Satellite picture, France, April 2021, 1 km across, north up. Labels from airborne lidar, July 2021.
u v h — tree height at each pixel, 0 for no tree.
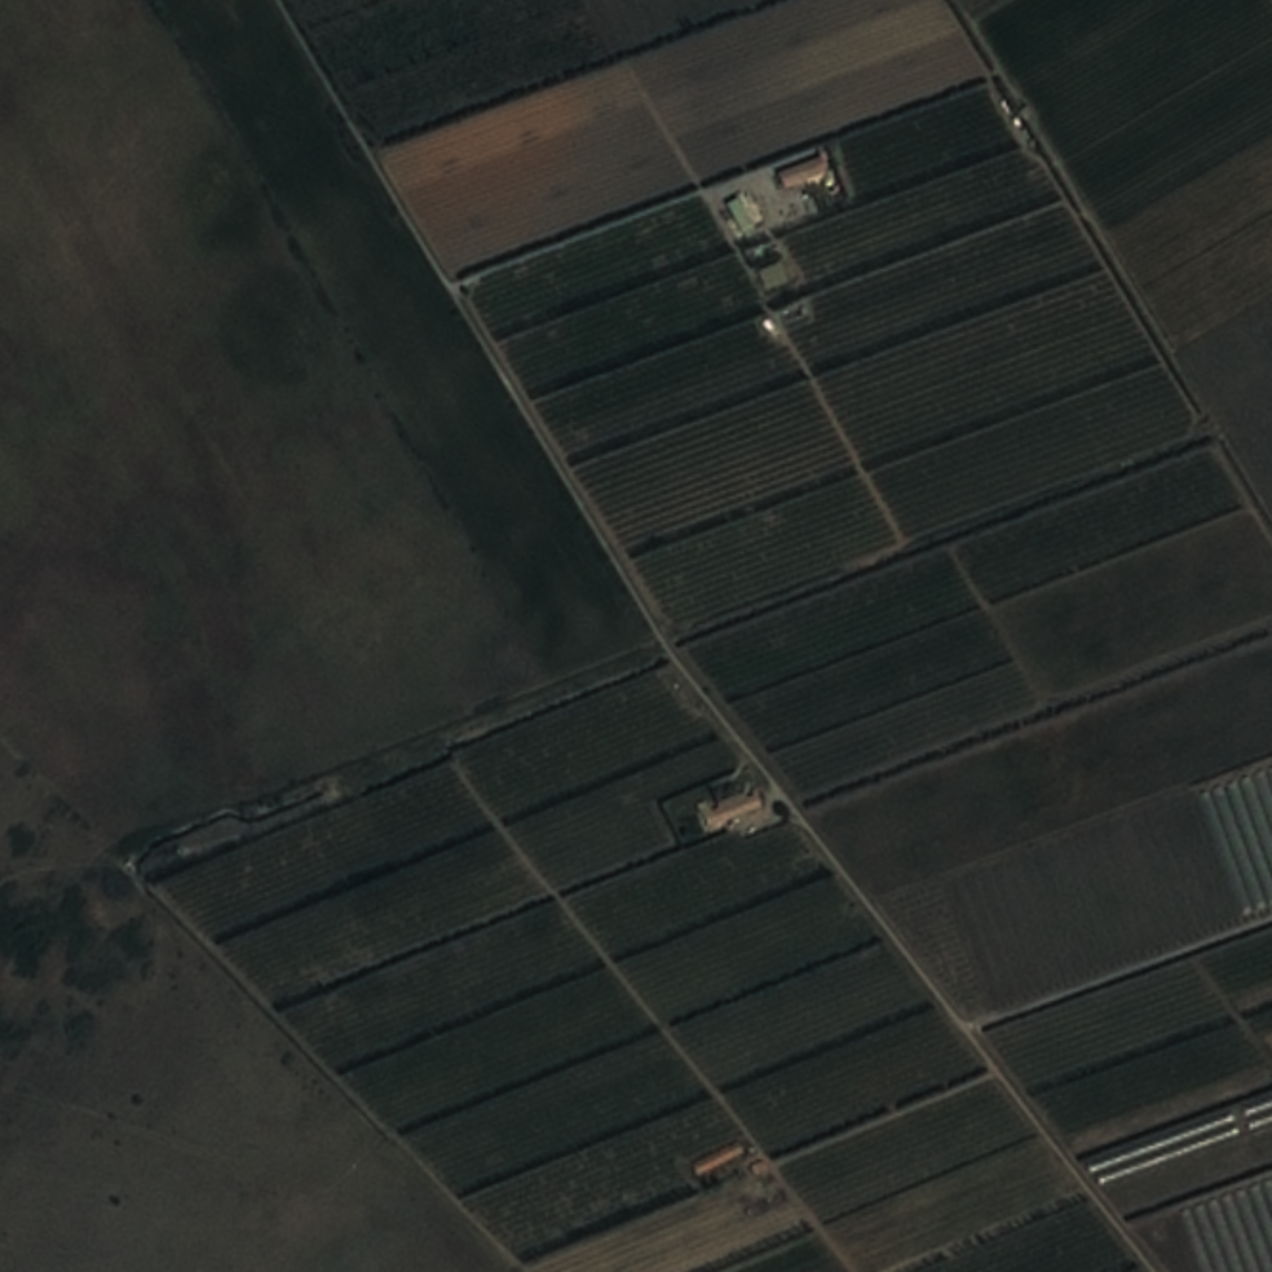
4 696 0
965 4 0
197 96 0
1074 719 0
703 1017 7
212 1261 0
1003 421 13
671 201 8
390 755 0
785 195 0
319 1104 0
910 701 7
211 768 0
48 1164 0
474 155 0
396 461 0
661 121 0
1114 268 11
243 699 0
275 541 0
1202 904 0
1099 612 0
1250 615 0
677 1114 14
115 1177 0
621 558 0
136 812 0
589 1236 14
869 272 16
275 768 0
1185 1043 13
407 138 8
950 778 0
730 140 0
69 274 0
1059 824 0
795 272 0
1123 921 0
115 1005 0
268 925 14
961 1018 0
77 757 0
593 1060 11
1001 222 15
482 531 0
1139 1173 0
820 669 8
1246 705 0
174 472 0
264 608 0
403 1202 0
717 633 7
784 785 0
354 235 0
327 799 0
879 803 0
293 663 0
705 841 6
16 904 0
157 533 0
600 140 0
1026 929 0
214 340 0
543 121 0
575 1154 12
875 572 6
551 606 0
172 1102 0
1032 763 0
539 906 9
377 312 0
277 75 0
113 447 0
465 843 13
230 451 0
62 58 0
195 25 0
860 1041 13
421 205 0
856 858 0
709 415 14
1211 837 0
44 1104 0
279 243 0
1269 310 0
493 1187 11
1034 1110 0
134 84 0
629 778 12
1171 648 0
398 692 0
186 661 0
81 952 0
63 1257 0
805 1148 8
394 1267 0
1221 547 0
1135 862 0
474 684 0
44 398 0
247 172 0
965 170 16
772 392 15
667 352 16
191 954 0
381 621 0
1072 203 11
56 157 0
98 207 0
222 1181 0
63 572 0
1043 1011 6
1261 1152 0
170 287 0
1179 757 0
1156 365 13
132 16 0
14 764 0
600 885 7
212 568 0
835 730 8
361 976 7
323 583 0
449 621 0
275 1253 0
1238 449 0
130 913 0
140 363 0
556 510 0
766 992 9
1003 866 0
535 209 0
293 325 0
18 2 0
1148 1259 0
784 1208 0
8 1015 0
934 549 7
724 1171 0
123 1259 0
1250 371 0
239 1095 0
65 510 0
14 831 0
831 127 0
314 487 0
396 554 0
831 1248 0
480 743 7
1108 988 7
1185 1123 7
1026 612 0
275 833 10
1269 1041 0
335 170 0
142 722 0
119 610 0
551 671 0
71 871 0
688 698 0
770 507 13
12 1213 0
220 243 0
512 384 0
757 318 15
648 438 15
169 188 0
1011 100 8
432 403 0
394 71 9
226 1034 0
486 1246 0
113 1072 0
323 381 0
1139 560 0
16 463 0
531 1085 11
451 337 0
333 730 0
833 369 16
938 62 0
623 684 6
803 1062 13
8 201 0
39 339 0
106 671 0
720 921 12
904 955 0
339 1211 0
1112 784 0
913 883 0
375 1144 0
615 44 0
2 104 0
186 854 0
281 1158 0
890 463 12
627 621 0
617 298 18
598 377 16
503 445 0
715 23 8
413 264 0
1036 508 7
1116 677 0
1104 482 7
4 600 0
